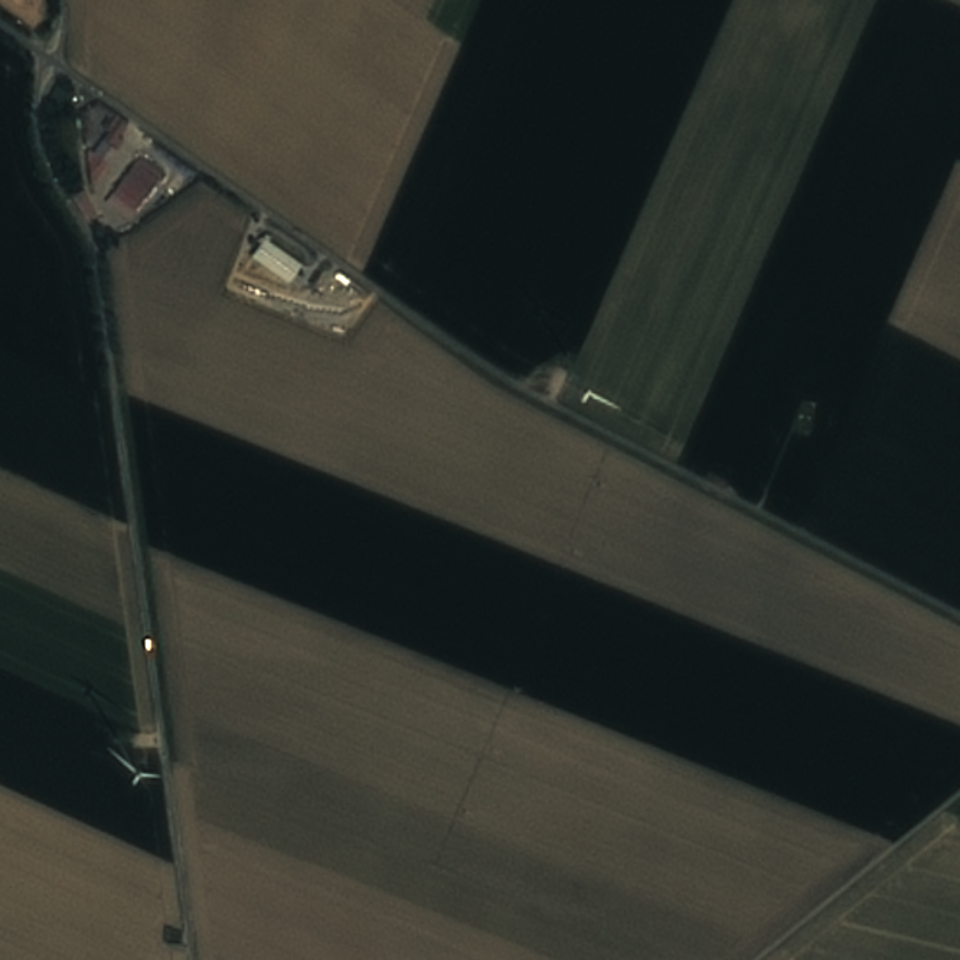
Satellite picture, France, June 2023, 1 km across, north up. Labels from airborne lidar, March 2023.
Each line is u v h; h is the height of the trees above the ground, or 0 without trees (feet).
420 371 0
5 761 0
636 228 0
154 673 0
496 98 0
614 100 0
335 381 0
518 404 0
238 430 0
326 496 0
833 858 0
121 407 0
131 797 0
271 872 0
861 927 0
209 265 0
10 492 0
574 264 0
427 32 0
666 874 0
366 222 0
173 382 0
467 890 0
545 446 0
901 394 0
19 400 0
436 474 0
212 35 0
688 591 0
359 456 0
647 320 0
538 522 0
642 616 0
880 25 0
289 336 0
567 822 0
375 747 0
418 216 0
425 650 0
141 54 0
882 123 0
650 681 0
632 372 0
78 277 0
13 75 0
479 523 0
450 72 0
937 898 0
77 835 0
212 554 0
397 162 0
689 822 0
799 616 0
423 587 0
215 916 0
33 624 0
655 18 0
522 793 0
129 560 0
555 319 0
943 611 0
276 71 0
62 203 41
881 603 0
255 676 0
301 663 0
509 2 0
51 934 0
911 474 0
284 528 0
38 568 0
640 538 0
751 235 0
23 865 0
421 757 0
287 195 0
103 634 0
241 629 0
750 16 0
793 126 0
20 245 0
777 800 0
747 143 0
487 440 0
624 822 0
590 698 0
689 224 0
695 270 0
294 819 0
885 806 0
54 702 0
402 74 0
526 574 0
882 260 0
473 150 0
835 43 0
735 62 0
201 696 0
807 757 0
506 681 0
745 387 0
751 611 0
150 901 0
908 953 0
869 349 0
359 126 0
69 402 0
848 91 0
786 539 0
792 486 0
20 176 0
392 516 0
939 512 0
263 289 0
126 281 0
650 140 0
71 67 0
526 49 0
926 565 0
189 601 0
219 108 0
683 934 0
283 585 0
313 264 0
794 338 0
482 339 0
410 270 0
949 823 0
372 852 0
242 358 0
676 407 0
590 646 0
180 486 0
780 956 0
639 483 0
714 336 0
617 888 0
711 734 0
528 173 0
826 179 0
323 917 0
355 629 0
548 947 0
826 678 0
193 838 0
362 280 0
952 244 0
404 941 0
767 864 0
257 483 0
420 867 0
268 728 0
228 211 0
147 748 0
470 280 0
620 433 0
